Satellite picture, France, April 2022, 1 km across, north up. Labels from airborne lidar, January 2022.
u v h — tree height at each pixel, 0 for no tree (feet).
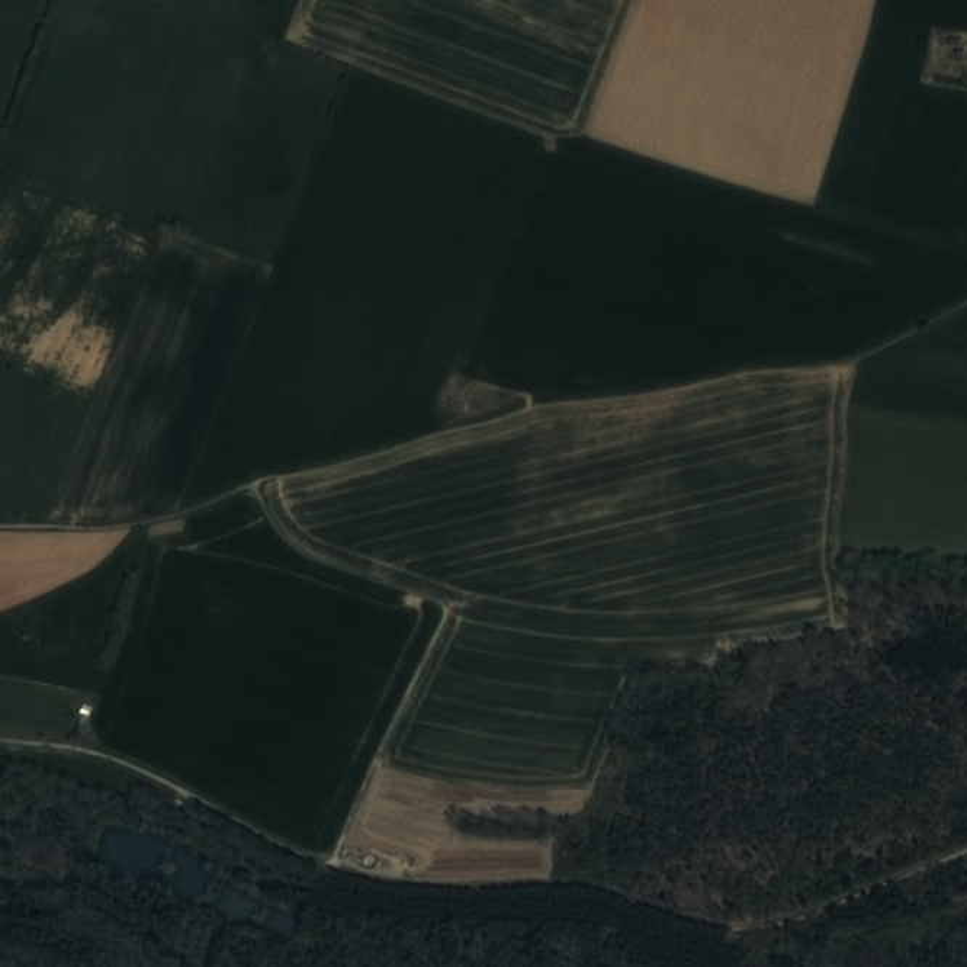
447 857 0
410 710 0
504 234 0
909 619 100
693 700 57
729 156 0
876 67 0
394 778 0
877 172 0
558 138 0
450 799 0
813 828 28
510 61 0
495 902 62
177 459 0
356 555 0
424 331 0
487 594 0
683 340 0
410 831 0
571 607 0
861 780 31
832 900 38
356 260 0
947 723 31
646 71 0
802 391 0
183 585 0
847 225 0
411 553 0
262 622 0
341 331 0
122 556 0
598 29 0
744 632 0
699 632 0
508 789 0
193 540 0
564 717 0
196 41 0
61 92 0
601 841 28
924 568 57
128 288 0
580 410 0
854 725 22
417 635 0
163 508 0
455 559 0
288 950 102
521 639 0
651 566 0
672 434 0
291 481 0
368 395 0
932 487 0
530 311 0
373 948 60
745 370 0
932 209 0
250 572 0
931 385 0
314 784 0
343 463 0
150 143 0
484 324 0
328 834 0
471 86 0
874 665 24
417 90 0
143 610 0
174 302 0
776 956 52
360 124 0
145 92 0
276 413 0
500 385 0
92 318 0
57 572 0
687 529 0
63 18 0
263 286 0
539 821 72
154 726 0
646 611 0
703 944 70
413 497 0
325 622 0
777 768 22
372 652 0
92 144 0
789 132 0
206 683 0
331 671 0
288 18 0
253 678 0
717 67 0
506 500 0
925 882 19
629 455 0
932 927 44
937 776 28
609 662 0
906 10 0
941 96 0
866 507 0
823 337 0
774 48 0
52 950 92
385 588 0
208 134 0
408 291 0
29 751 0
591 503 0
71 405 0
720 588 0
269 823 0
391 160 0
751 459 0
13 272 0
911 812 28
